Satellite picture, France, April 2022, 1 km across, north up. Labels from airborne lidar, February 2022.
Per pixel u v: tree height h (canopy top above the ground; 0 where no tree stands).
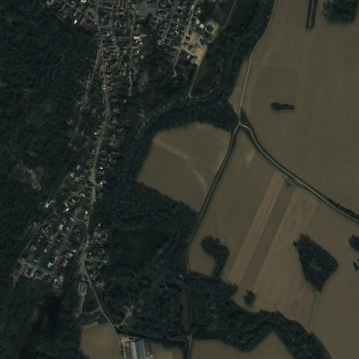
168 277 9
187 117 40
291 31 0
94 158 0
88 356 0
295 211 0
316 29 0
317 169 0
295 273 0
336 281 0
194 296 0
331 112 0
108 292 26
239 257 0
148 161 0
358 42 0
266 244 0
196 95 14
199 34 0
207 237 0
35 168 21
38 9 8
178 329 20
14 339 8
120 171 25
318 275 26
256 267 0
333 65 0
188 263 0
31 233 0
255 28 14
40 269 0
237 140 0
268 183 0
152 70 11
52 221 0
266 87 0
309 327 0
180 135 0
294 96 0
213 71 0
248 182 0
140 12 0
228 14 0
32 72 21
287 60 0
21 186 15
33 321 0
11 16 15
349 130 0
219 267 18
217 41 0
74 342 27
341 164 0
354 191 0
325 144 0
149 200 20
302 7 0
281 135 0
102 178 6
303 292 0
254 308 0
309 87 0
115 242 0
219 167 0
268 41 0
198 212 0
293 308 0
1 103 18
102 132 0
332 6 26
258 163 0
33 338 0
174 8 0
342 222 0
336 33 0
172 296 0
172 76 15
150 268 7
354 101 0
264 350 0
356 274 0
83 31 17
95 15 0
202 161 0
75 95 19
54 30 12
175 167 0
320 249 20
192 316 0
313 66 0
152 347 0
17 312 11
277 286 0
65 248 0
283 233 0
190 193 0
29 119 13
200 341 0
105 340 0
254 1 0
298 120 0
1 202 21
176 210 16
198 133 0
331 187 0
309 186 0
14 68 11
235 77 12
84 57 24
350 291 0
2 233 27
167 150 0
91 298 0
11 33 24
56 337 14
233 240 0
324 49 0
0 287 29
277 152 0
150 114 0
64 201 0
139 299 13
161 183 0
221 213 0
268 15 20
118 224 19
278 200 0
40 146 7
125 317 15
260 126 0
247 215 0
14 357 0
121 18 9
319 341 0
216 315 23
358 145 0
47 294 0
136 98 6
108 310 20
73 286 14
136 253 0
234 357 0
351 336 0
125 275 27
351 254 0
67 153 7
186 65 15
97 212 23
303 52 0
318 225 0
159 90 18
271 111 0
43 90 0
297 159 0
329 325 0
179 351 0
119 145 0
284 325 15
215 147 0
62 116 14
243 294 0
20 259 0
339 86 0
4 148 0
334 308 0
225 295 19
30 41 0
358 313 0
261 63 0
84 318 8
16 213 19
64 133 22
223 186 0
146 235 0
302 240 13
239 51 0
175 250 19
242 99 0
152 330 24
